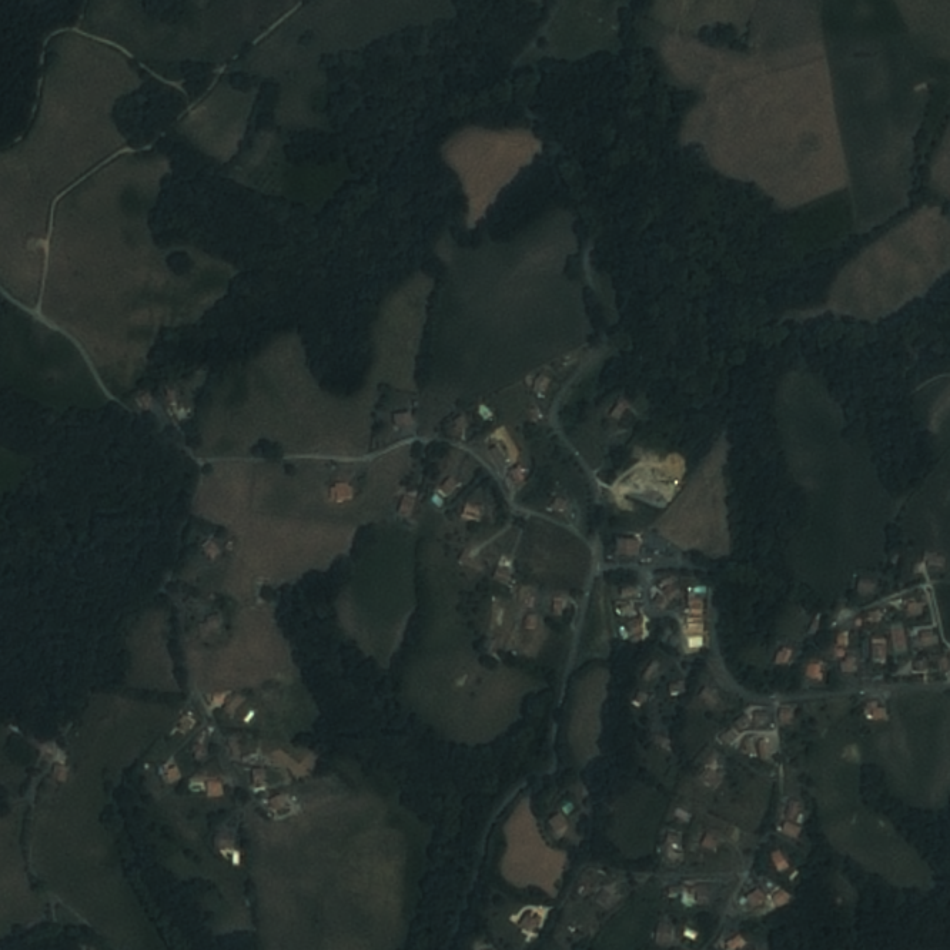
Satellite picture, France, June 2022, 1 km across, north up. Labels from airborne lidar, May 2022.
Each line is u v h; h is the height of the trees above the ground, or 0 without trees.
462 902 20
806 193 0
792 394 0
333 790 0
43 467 12
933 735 0
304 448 0
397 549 0
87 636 17
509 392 0
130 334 0
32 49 12
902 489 14
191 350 23
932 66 0
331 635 27
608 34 0
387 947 0
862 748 0
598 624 0
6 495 8
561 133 18
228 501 0
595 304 14
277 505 0
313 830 0
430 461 8
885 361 23
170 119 13
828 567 0
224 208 21
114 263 0
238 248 23
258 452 13
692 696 12
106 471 22
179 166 14
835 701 0
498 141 0
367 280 8
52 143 0
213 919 15
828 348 23
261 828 0
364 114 28
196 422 14
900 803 19
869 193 0
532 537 0
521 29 15
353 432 0
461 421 0
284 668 0
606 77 18
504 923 0
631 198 26
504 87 31
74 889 0
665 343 23
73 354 0
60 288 0
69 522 32
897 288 0
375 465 0
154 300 0
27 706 24
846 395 14
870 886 16
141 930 0
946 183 0
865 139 0
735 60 0
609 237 23
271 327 17
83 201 0
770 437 15
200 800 0
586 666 7
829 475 0
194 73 13
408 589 0
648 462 0
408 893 0
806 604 23
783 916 18
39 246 0
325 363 25
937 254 0
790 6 0
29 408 11
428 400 0
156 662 0
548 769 0
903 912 8
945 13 0
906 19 0
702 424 23
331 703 25
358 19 0
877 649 0
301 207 17
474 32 15
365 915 0
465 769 21
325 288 23
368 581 0
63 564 24
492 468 0
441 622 0
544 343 0
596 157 14
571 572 0
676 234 25
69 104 0
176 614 11
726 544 0
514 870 0
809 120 0
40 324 0
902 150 0
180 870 0
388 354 0
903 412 23
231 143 0
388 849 0
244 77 14
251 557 0
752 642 10
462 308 0
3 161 0
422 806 26
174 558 16
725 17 0
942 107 0
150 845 15
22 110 18
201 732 0
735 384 15
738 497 7
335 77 15
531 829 0
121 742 0
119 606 15
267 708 0
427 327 7
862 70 0
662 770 0
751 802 0
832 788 0
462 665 0
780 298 23
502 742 17
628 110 31
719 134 0
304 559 0
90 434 20
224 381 8
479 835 9
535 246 0
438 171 23
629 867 15
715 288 22
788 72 0
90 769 0
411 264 11
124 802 21
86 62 0
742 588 18
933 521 0
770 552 30
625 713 16
